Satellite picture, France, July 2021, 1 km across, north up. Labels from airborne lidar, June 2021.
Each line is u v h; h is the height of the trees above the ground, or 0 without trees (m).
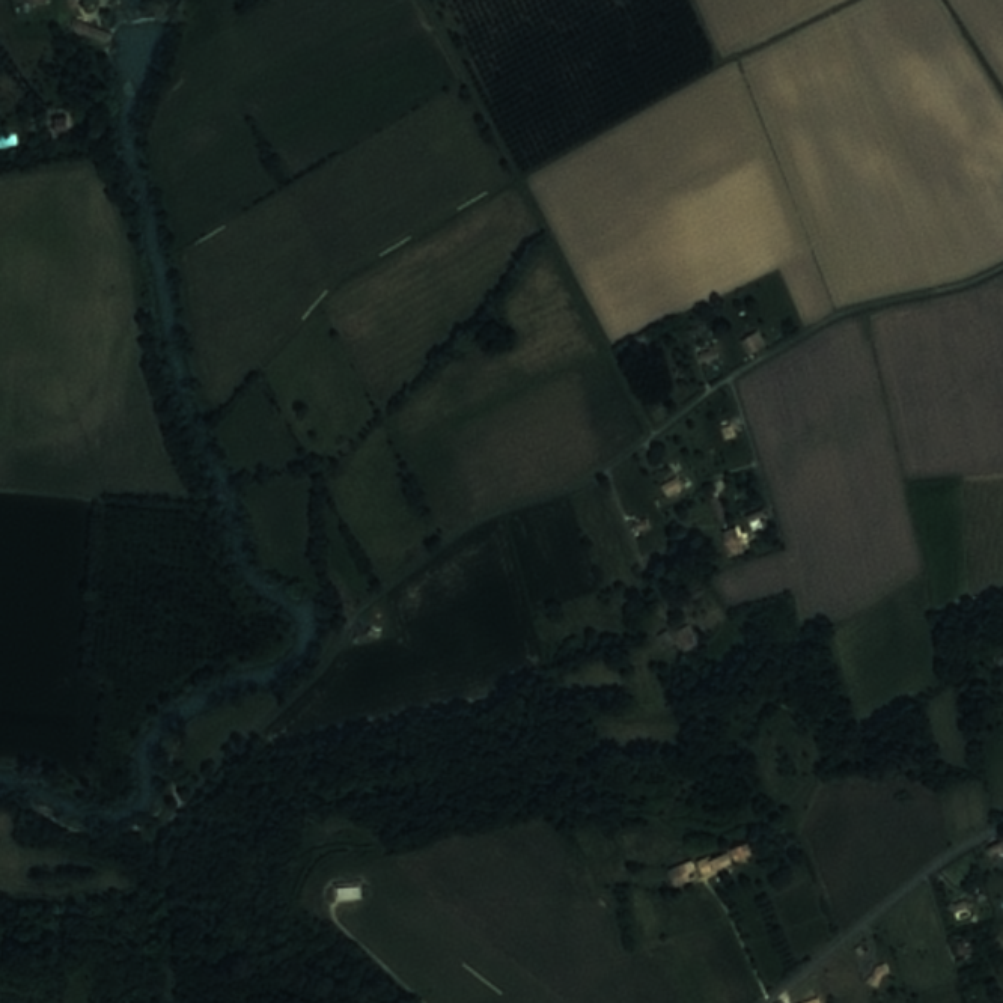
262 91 0
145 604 12
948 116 0
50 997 6
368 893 0
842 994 0
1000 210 0
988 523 0
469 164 0
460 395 0
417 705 0
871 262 0
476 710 17
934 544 0
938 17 0
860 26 0
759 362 0
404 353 0
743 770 20
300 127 0
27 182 0
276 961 24
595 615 0
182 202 0
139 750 0
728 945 0
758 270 0
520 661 0
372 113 0
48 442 0
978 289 0
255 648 6
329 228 0
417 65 0
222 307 0
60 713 0
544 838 0
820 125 0
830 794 0
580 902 0
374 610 0
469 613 0
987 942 8
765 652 16
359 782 10
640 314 0
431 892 0
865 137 0
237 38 0
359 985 27
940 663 13
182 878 21
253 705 0
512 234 0
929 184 0
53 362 0
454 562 0
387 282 0
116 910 6
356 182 0
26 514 0
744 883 11
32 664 0
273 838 20
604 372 0
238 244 0
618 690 10
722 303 19
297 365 0
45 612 0
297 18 0
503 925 0
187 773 13
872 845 0
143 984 14
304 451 12
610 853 0
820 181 0
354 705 0
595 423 0
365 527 0
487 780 21
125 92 0
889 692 0
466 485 0
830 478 0
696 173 0
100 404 0
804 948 0
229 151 0
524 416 0
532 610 0
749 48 0
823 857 0
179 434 21
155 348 15
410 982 0
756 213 0
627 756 19
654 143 0
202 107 0
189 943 23
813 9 0
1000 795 0
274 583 9
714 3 0
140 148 14
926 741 20
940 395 0
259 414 0
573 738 22
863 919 0
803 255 0
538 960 0
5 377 0
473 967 0
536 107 17
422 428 0
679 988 0
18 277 0
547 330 0
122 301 0
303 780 18
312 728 0
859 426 0
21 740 0
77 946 16
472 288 0
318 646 12
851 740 29
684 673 15
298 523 0
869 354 0
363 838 0
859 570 0
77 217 0
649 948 0
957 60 0
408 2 0
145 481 0
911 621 0
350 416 0
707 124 0
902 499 0
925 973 0
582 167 0
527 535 0
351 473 0
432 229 0
